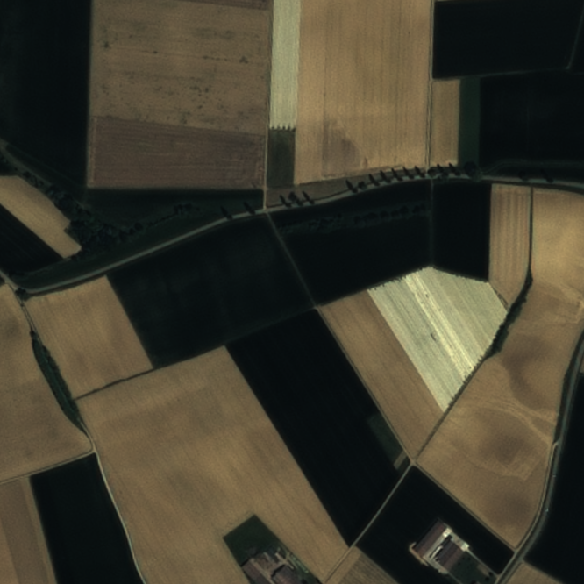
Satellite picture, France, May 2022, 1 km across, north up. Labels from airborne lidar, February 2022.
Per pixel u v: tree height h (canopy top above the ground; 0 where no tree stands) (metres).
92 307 0
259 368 0
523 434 0
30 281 0
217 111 0
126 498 0
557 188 0
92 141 0
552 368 0
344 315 0
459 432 0
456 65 0
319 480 0
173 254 0
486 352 0
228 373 0
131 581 0
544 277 0
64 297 0
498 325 0
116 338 0
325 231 10
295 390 0
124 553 0
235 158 0
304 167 0
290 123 0
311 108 0
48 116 0
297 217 0
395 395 0
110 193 0
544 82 0
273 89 0
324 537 0
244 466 0
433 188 0
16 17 0
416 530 0
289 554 0
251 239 0
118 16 0
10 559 0
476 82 0
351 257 0
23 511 0
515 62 0
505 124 0
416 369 0
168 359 0
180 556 0
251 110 0
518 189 0
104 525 0
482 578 0
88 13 0
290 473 0
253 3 0
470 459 0
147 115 0
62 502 0
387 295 0
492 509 0
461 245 0
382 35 0
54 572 0
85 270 0
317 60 0
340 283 0
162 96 0
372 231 0
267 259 0
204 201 0
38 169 0
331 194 0
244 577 0
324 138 0
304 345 0
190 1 0
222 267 0
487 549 0
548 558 0
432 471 0
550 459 0
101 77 0
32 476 0
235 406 0
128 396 0
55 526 0
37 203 0
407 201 0
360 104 0
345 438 0
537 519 0
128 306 0
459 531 0
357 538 0
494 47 0
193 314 0
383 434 0
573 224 0
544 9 0
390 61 0
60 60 0
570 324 0
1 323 0
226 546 0
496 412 0
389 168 0
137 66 0
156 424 0
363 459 0
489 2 0
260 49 0
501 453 0
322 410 0
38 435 0
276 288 0
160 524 0
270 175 0
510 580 0
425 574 0
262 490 0
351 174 0
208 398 0
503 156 0
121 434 0
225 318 0
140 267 0
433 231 0
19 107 0
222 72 0
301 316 0
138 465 0
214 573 0
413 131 0
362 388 0
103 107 0
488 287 0
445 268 0
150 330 0
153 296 0
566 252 0
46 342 0
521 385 0
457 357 0
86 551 0
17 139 0
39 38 0
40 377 0
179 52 0
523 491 0
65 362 0
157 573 0
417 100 0
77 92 0
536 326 0
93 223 14
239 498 0
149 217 0
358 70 0
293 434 0
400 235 0
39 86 0
